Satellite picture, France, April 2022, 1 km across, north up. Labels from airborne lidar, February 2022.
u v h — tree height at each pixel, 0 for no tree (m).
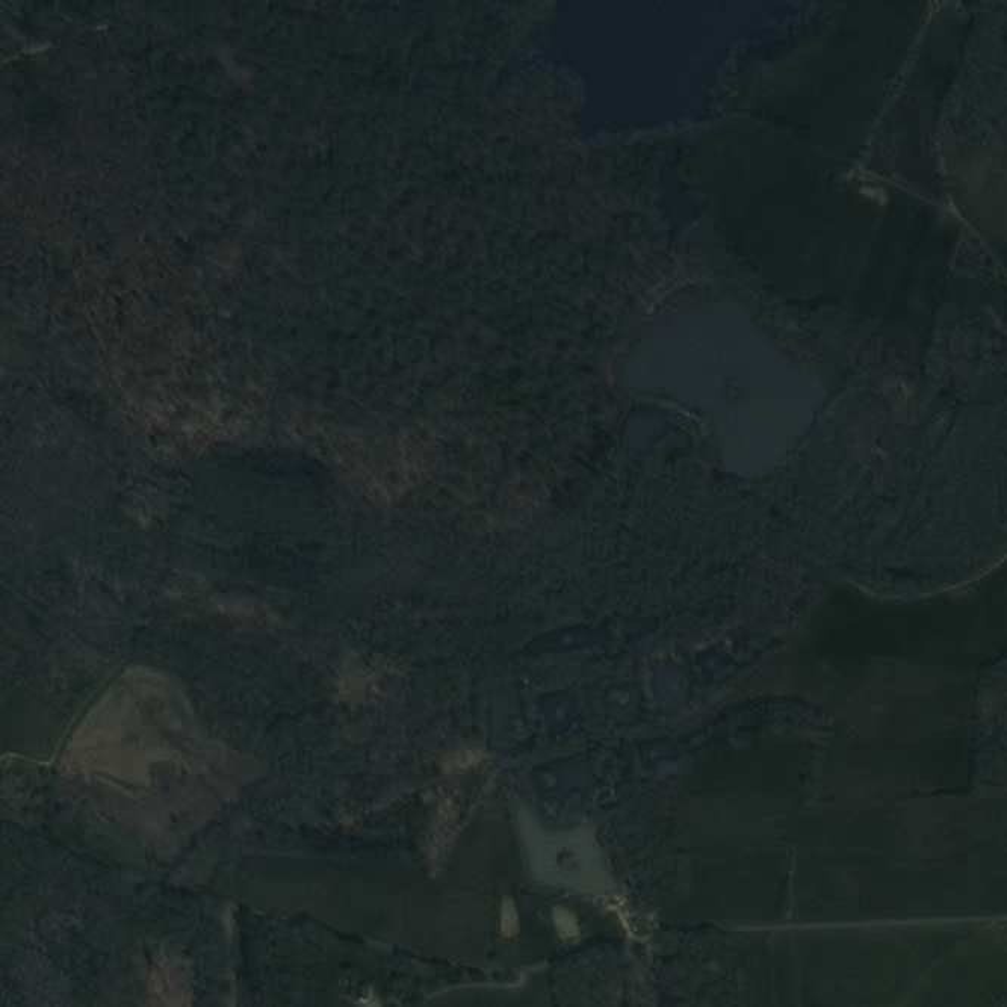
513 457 31
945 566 19
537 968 0
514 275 24
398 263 24
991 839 0
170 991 27
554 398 26
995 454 17
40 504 20
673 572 18
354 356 21
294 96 22
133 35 27
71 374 20
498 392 23
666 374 0
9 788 0
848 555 9
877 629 0
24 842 20
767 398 0
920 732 0
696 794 0
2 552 18
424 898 0
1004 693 13
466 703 18
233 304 30
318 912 0
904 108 0
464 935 0
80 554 20
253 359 26
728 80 18
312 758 20
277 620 0
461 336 29
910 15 0
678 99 0
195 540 22
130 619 21
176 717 0
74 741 0
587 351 23
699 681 15
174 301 6
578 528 18
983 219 0
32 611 20
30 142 8
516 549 16
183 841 0
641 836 13
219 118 28
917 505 20
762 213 0
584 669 20
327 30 27
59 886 26
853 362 15
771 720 26
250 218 24
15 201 8
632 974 28
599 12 0
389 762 17
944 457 18
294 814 22
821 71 0
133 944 25
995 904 0
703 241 24
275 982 20
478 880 0
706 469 24
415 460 19
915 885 0
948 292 9
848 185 0
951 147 0
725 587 20
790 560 18
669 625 11
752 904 0
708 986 26
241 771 0
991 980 0
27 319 25
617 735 7
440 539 17
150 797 0
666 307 0
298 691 13
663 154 15
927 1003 0
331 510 18
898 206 0
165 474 14
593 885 0
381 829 12
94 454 21
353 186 27
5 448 12
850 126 0
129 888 22
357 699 0
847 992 0
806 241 0
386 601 19
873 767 0
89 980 25
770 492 15
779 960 0
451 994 0
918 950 0
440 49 29
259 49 24
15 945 23
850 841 0
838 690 0
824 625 0
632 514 20
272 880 0
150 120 21
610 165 23
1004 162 0
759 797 0
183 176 26
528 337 24
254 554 18
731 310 0
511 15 21
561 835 0
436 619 23
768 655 22
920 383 21
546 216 30
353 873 0
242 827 19
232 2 26
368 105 30
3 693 15
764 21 0
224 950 21
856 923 0
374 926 0
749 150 0
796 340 0
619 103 0
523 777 19
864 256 0
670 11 0
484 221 25
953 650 0
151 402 26
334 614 20
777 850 0
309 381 25
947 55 0
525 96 19
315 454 21
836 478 18
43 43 24
